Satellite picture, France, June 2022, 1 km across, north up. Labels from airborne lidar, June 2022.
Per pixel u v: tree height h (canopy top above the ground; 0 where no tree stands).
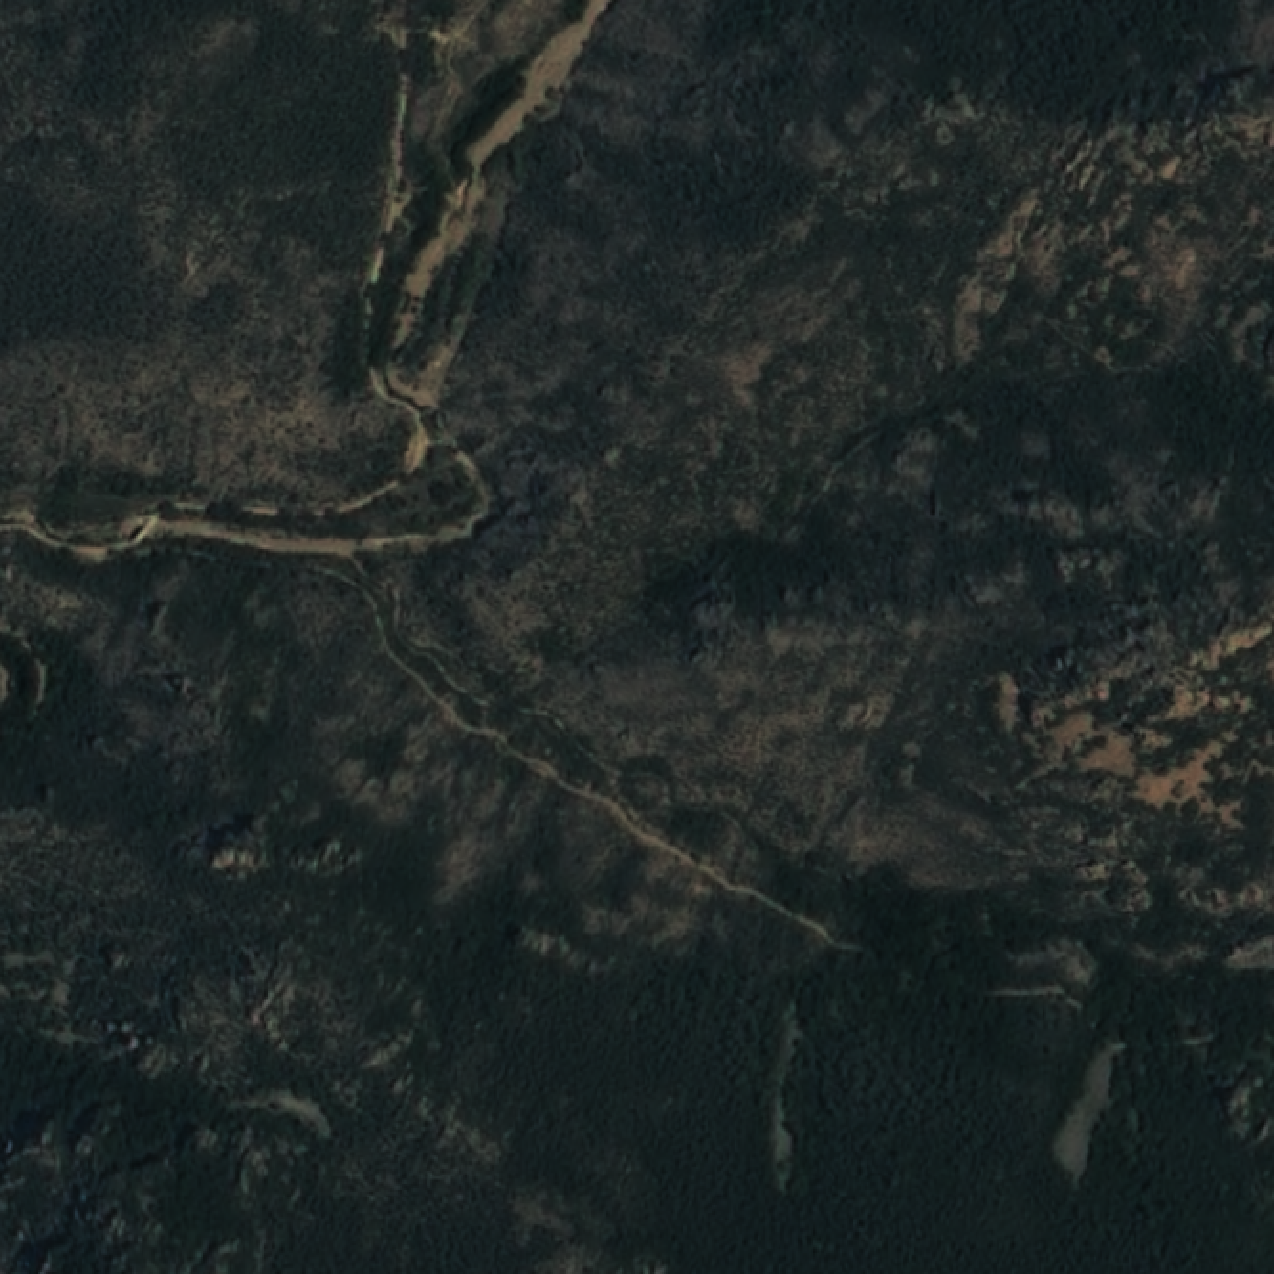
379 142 9
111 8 10
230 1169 8
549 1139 9
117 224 8
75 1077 11
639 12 0
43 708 8
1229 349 10
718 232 9
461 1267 10
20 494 0
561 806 8
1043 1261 11
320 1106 14
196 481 8
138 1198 6
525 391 0
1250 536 8
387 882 7
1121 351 11
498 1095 9
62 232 10
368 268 9
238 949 8
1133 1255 9
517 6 0
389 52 9
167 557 6
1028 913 10
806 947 15
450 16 7
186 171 8
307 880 8
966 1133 15
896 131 7
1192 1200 7
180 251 9
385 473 8
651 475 6
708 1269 10
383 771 7
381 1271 11
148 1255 6
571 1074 9
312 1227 8
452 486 13
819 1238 9
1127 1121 7
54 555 9
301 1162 14
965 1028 9
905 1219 8
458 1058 8
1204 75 0
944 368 7
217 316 9
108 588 7
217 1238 7
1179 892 9
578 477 0
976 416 7
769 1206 7
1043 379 6
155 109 6
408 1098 7
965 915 10
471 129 8
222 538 10
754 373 0
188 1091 11
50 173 8
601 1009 10
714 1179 11
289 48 11
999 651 7
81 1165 6
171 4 9
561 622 7
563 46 0
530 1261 9
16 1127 8
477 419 0
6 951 6
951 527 7
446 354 0
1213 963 8
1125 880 11
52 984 6
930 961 11
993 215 8
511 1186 8
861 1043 17
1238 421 7
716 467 6
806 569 8
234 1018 6
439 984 8
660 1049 10
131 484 6
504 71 6
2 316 10
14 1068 10
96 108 10
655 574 7
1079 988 7
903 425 6
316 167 6
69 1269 10
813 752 0
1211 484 0
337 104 11
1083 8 13
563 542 6
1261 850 7
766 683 0
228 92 6
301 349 7
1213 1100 11
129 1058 9
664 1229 8
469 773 0
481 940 12
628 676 0
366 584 10
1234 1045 9
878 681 0
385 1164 8
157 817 9
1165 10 9
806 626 0
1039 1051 7
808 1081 7
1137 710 7
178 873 10
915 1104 14
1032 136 6
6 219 8
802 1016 6
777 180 12
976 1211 7
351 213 9
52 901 7
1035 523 8
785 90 16
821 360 6
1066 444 9
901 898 10
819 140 0
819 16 16
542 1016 9
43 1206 7
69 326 11
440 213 8
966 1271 8
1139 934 7
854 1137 7
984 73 6
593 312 0
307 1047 7
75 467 6
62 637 8
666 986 16
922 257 9
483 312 8
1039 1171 8
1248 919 10
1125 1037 13
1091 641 7
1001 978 8
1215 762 6
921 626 0
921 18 16
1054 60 14
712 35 6
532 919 6
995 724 8
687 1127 11
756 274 6
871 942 8
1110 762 0
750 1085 15
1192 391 7
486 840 0
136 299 11
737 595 6
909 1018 7
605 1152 9
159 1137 17
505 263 7
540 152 6
